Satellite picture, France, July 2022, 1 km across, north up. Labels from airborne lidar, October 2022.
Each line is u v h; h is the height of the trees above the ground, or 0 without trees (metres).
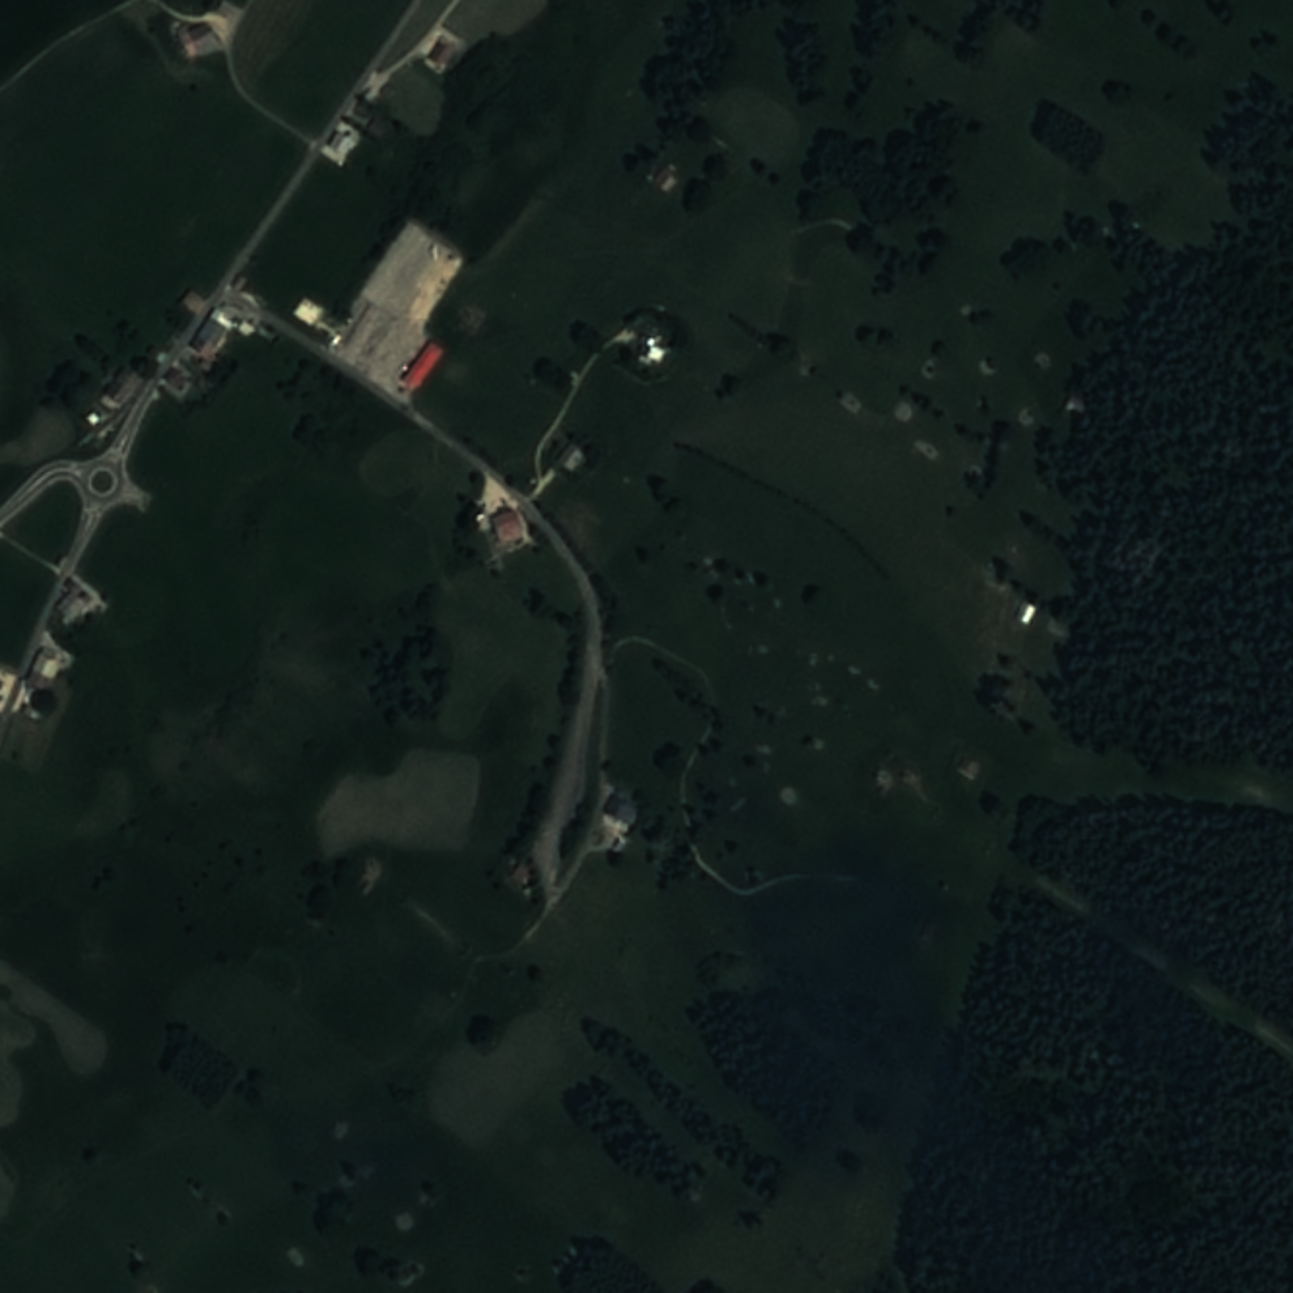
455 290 0
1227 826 26
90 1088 0
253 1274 0
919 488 0
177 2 0
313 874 7
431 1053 0
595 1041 11
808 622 0
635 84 0
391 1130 0
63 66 0
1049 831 15
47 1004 0
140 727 0
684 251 0
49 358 0
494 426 0
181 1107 0
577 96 0
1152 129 0
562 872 0
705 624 0
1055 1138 30
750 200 0
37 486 0
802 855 0
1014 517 0
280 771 0
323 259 0
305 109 0
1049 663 0
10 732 0
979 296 0
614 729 0
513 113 6
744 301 0
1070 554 26
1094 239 17
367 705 0
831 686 0
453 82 7
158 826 0
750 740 0
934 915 0
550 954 0
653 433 0
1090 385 18
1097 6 0
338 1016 0
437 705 7
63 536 0
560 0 7
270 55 0
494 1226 0
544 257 0
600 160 0
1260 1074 24
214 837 0
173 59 0
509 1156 0
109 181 0
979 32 20
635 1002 0
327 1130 0
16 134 0
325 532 0
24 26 0
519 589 0
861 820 0
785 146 0
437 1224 0
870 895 0
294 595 0
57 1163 0
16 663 0
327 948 0
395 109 0
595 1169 0
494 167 0
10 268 0
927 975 0
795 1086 20
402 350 0
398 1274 16
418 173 5
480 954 0
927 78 0
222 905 0
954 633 0
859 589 0
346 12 0
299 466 0
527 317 0
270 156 0
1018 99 0
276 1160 0
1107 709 12
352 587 0
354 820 0
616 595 12
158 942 0
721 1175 0
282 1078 0
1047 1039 31
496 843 0
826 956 0
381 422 0
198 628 0
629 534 0
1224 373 13
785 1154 0
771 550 0
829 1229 0
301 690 0
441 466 0
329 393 0
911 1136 0
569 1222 0
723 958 6
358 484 0
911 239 0
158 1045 0
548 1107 0
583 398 0
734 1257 0
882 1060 15
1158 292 18
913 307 0
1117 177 0
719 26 19
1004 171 0
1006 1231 25
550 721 0
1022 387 0
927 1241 12
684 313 0
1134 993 30
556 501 0
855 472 0
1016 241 0
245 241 0
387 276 0
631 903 0
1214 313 31
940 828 0
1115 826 26
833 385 0
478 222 0
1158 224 0
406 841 0
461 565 0
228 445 0
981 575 0
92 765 0
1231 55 0
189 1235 0
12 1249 0
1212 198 0
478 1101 0
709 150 0
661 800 0
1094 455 27
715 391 0
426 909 0
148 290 0
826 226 0
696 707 17
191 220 0
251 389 0
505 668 0
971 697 0
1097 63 0
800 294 0
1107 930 0
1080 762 0
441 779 0
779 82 0
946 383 0
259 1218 0
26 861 0
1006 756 0
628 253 0
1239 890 26
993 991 18
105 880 8
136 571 0
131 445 0
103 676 0
